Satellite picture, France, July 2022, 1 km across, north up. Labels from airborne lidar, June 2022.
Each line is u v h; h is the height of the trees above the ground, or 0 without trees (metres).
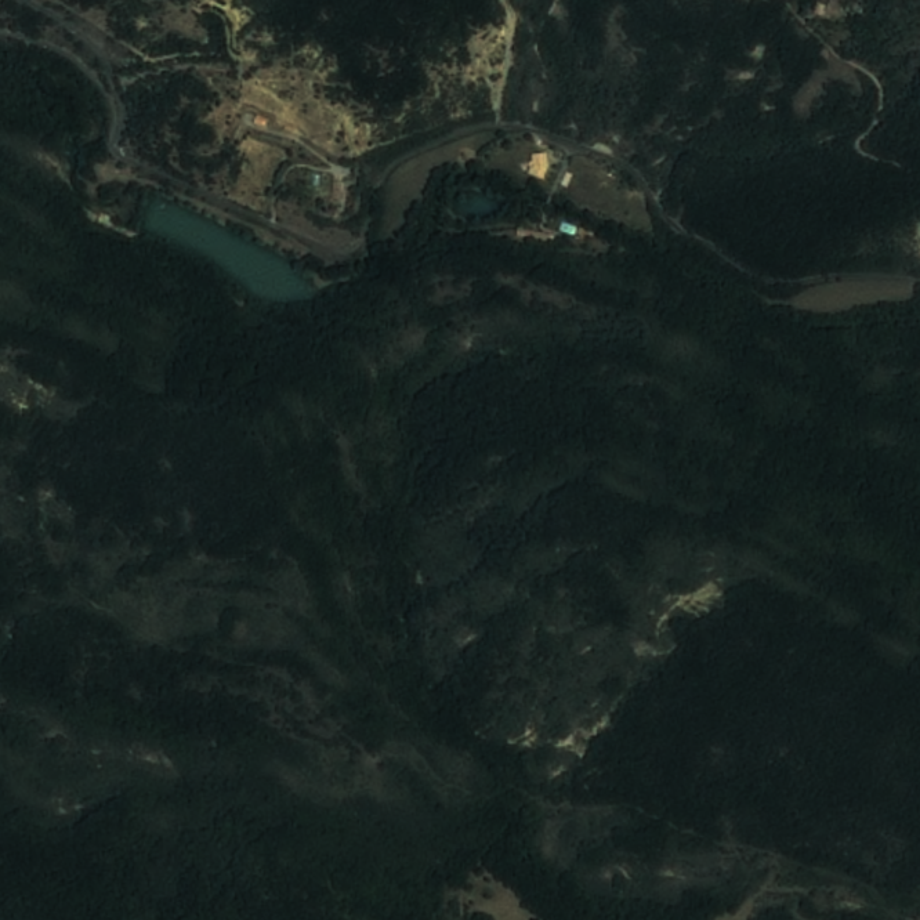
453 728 12
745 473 8
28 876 11
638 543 11
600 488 8
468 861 15
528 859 13
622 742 9
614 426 7
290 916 11
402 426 12
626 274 7
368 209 10
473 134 0
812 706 8
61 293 7
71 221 13
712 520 9
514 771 14
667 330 6
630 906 10
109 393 8
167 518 7
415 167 0
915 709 6
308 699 0
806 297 0
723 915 11
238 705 6
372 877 7
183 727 6
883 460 10
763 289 11
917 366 9
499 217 24
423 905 6
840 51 8
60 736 6
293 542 7
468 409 10
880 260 7
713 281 13
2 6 7
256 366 6
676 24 8
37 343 8
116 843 7
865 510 7
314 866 11
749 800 10
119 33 6
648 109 8
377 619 6
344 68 6
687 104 8
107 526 6
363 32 6
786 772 8
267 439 9
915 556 8
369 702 8
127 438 8
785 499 8
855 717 7
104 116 7
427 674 9
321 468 13
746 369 11
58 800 0
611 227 15
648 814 7
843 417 9
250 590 6
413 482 12
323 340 8
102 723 6
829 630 9
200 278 14
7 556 8
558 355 7
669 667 8
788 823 6
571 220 11
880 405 15
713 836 6
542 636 6
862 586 11
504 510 7
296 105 0
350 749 6
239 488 6
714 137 8
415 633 8
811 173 8
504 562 7
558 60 8
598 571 7
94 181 7
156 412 9
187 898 9
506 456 7
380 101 9
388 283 9
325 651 10
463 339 0
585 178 0
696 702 7
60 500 11
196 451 7
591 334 8
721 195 9
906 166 11
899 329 11
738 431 11
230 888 8
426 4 7
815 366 6
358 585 6
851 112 7
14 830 8
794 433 15
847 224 11
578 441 12
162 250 8
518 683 7
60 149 9
